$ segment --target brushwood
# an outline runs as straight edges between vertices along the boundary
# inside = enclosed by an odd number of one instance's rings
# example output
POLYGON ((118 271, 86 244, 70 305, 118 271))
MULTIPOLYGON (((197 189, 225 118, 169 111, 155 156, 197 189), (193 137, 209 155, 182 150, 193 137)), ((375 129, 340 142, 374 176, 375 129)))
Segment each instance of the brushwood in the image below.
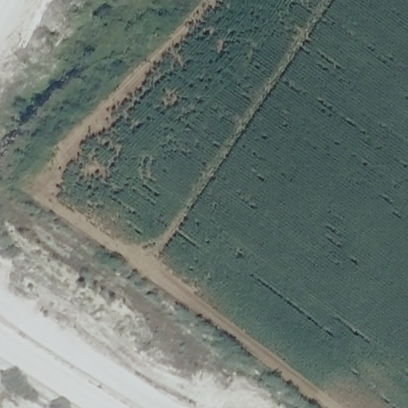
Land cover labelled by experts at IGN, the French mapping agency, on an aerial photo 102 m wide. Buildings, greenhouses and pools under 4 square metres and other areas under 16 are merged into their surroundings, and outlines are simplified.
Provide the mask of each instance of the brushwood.
POLYGON ((269 378, 271 370, 253 355, 255 367, 249 367, 241 362, 226 362, 222 355, 218 359, 223 363, 223 368, 239 376, 257 382, 260 386, 269 378))
POLYGON ((214 328, 217 333, 222 330, 212 320, 177 300, 174 306, 201 320, 202 324, 214 328))
POLYGON ((0 139, 0 255, 10 258, 19 255, 21 249, 14 244, 6 231, 5 223, 11 223, 18 229, 18 233, 24 234, 27 228, 37 225, 49 231, 53 229, 51 223, 59 225, 62 218, 54 210, 46 209, 40 202, 30 199, 27 191, 33 185, 33 180, 40 174, 43 166, 56 156, 57 143, 65 139, 73 127, 78 126, 86 116, 91 115, 102 100, 120 88, 124 76, 132 72, 137 65, 147 61, 147 57, 169 38, 186 14, 201 0, 89 0, 84 2, 83 6, 73 6, 72 10, 65 11, 65 25, 73 30, 73 35, 62 40, 61 51, 57 53, 59 69, 49 81, 48 88, 35 96, 33 104, 21 115, 19 121, 22 123, 22 131, 13 129, 0 139))

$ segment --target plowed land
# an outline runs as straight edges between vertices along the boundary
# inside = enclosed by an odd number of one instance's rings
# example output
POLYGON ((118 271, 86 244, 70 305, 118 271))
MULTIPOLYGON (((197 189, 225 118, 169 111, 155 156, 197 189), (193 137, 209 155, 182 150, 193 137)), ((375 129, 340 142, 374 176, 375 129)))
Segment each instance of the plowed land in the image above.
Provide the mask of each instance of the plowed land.
POLYGON ((253 355, 271 370, 279 371, 285 379, 300 387, 304 395, 314 398, 325 408, 344 408, 327 392, 320 390, 309 379, 293 370, 279 355, 250 338, 245 330, 215 311, 207 301, 196 296, 196 287, 185 284, 182 277, 175 276, 174 271, 164 265, 161 258, 151 257, 139 244, 127 244, 121 239, 107 236, 102 229, 89 225, 86 215, 72 212, 62 206, 57 199, 57 183, 62 182, 67 161, 75 158, 80 150, 81 140, 86 135, 100 131, 102 127, 108 127, 105 116, 110 115, 110 112, 105 107, 121 102, 127 96, 127 92, 139 88, 145 73, 153 67, 155 61, 161 61, 161 54, 166 51, 167 46, 183 40, 188 33, 186 22, 201 21, 204 11, 209 6, 215 6, 217 0, 201 0, 186 14, 169 38, 147 57, 147 61, 137 65, 132 72, 124 76, 120 88, 102 100, 91 115, 86 116, 78 126, 73 127, 65 139, 57 143, 56 156, 43 166, 40 174, 33 180, 33 185, 27 191, 30 199, 40 202, 46 209, 54 210, 62 218, 73 228, 81 229, 83 233, 96 239, 99 244, 105 245, 110 252, 121 253, 127 263, 132 268, 139 269, 142 276, 153 280, 158 287, 177 296, 177 300, 212 320, 222 330, 236 336, 253 355))

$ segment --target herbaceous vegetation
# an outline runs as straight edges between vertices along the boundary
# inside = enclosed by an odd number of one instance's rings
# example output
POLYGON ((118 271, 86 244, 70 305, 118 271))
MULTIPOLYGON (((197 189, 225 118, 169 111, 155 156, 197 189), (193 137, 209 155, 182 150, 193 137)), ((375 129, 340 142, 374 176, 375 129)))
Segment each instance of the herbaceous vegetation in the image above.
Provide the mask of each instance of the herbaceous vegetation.
POLYGON ((14 97, 35 96, 48 88, 49 81, 59 69, 57 53, 61 51, 62 40, 73 35, 73 30, 65 25, 65 11, 72 10, 73 6, 83 6, 84 2, 89 0, 51 0, 41 16, 40 25, 33 30, 29 45, 14 51, 14 56, 24 62, 25 69, 18 76, 14 76, 13 83, 8 84, 5 92, 0 94, 0 139, 13 129, 22 131, 22 123, 19 121, 21 115, 11 104, 14 97))
POLYGON ((33 402, 5 389, 0 392, 0 408, 41 408, 33 402))
POLYGON ((49 231, 37 225, 27 228, 24 234, 18 233, 18 229, 11 223, 5 223, 6 231, 14 244, 21 249, 19 255, 10 258, 13 265, 8 284, 10 292, 22 296, 25 300, 35 300, 41 314, 48 316, 49 319, 56 319, 61 330, 73 328, 78 336, 100 354, 110 355, 118 365, 131 371, 132 375, 147 382, 156 390, 177 398, 178 402, 194 406, 196 400, 180 394, 156 379, 151 379, 142 371, 134 370, 132 363, 139 359, 140 352, 147 352, 147 355, 158 363, 177 368, 180 370, 180 378, 193 378, 196 371, 207 371, 214 375, 215 382, 223 389, 228 389, 239 376, 223 368, 223 363, 218 359, 222 355, 217 347, 212 346, 214 335, 217 333, 214 328, 202 324, 201 320, 174 306, 177 300, 177 296, 158 287, 153 280, 142 276, 139 269, 132 268, 127 263, 121 265, 116 273, 108 271, 104 268, 104 263, 99 263, 94 255, 94 249, 97 249, 99 244, 96 239, 83 233, 81 229, 73 228, 62 218, 59 225, 51 223, 53 229, 49 231))

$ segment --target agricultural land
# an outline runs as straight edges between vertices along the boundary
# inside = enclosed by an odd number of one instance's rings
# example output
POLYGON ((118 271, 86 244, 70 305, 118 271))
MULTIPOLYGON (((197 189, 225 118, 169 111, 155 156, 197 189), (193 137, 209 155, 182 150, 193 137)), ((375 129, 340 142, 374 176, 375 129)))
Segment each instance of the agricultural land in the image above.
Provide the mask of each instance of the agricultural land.
POLYGON ((344 408, 408 408, 408 0, 217 0, 215 6, 209 6, 204 11, 201 21, 186 22, 188 33, 183 40, 167 46, 166 51, 161 54, 161 61, 155 61, 153 67, 145 73, 139 88, 127 92, 127 96, 121 102, 105 107, 110 112, 110 115, 105 116, 108 127, 102 127, 100 131, 86 135, 81 140, 80 150, 75 158, 67 161, 62 182, 57 183, 57 199, 62 206, 72 212, 86 215, 89 225, 102 229, 107 236, 121 239, 127 244, 139 244, 151 257, 161 258, 164 265, 174 271, 175 276, 182 277, 185 284, 196 287, 196 296, 207 301, 215 311, 245 330, 250 338, 279 355, 293 370, 309 379, 320 390, 327 392, 344 408))

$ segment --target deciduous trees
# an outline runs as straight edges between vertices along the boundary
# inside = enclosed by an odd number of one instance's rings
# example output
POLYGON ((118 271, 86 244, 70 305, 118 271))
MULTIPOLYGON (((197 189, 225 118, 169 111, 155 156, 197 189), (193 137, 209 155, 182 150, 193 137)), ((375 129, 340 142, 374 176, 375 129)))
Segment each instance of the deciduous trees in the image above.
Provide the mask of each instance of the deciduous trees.
POLYGON ((116 273, 121 265, 127 263, 121 253, 110 252, 105 245, 99 244, 97 249, 94 249, 94 255, 99 263, 104 263, 104 268, 108 271, 116 273))
POLYGON ((18 367, 2 370, 2 384, 5 389, 33 402, 38 398, 38 392, 30 386, 27 376, 18 367))
POLYGON ((11 104, 21 115, 33 104, 35 96, 14 97, 11 104))
POLYGON ((325 408, 314 398, 304 395, 300 387, 285 379, 279 371, 271 370, 269 378, 260 386, 268 389, 271 400, 284 408, 325 408))
POLYGON ((222 330, 217 333, 214 335, 212 346, 217 347, 222 355, 226 362, 241 362, 249 367, 255 367, 253 355, 236 336, 222 330))

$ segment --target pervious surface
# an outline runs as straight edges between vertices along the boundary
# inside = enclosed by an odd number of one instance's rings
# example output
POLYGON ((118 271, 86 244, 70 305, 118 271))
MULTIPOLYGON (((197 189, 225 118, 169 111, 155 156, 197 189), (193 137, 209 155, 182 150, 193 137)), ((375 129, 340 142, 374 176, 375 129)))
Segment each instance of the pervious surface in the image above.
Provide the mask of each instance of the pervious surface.
POLYGON ((38 392, 38 398, 33 402, 41 408, 284 408, 271 400, 268 389, 260 386, 257 382, 239 376, 228 389, 223 389, 215 382, 214 375, 207 371, 196 371, 193 378, 180 378, 180 370, 177 368, 158 363, 147 355, 147 352, 140 352, 139 359, 132 363, 134 370, 142 371, 151 379, 156 379, 180 394, 196 400, 194 406, 178 402, 177 398, 156 390, 147 382, 132 375, 131 371, 118 365, 110 355, 100 354, 78 336, 73 328, 61 330, 56 319, 49 319, 48 316, 41 314, 35 300, 25 300, 22 296, 10 292, 8 284, 13 265, 10 258, 0 255, 0 392, 5 389, 2 384, 2 370, 18 367, 27 376, 30 386, 38 392))
POLYGON ((14 76, 18 76, 25 69, 24 62, 14 56, 14 51, 29 45, 33 30, 40 25, 41 16, 51 0, 0 0, 0 94, 5 92, 8 84, 13 83, 14 76))

